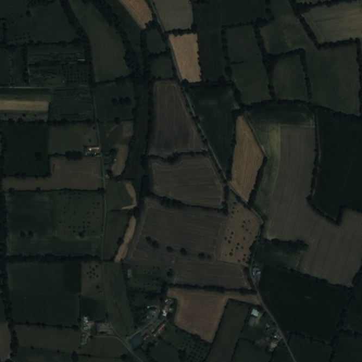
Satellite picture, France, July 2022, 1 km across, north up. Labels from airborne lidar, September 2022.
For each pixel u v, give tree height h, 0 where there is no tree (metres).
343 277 0
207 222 0
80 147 0
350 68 0
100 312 0
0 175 13
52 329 0
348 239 0
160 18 0
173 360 0
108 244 0
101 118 0
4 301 13
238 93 18
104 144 0
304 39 0
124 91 0
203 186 0
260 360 0
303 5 19
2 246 15
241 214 0
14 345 20
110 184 0
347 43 12
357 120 14
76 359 17
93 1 23
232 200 0
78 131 0
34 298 0
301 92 0
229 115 0
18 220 0
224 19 0
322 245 0
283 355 0
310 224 0
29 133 0
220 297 0
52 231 0
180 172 0
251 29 0
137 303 0
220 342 0
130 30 0
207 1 9
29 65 6
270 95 13
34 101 0
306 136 0
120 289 0
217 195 0
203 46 0
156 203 0
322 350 0
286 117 0
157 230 0
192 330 0
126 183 0
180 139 0
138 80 31
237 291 7
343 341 0
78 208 0
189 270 0
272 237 0
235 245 0
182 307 0
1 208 13
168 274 12
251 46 0
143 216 0
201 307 0
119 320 0
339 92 0
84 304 0
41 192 17
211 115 0
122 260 8
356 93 0
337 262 0
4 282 13
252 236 0
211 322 0
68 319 0
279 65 0
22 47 7
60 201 0
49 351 0
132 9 0
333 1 17
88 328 0
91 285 0
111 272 0
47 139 0
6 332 0
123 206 0
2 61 0
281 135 0
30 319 0
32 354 0
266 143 0
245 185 0
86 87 0
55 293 0
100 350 0
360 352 0
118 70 0
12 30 0
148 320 0
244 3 0
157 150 0
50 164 7
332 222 10
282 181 0
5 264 12
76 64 10
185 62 0
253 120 0
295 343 0
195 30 13
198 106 0
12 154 0
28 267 0
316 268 0
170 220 0
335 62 0
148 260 0
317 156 10
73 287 0
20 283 0
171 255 0
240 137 0
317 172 16
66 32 0
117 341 0
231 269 0
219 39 0
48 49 0
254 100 0
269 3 14
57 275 0
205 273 0
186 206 6
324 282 17
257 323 0
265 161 12
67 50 0
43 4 15
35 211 0
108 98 0
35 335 0
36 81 6
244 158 0
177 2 0
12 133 0
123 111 0
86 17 0
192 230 0
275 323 9
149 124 18
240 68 0
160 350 0
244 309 0
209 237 0
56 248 0
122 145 0
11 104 0
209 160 0
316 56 0
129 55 22
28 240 0
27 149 0
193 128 0
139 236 0
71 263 0
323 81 0
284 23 0
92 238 0
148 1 14
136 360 0
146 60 11
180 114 0
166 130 0
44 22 0
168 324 0
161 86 0
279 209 0
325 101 0
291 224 0
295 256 0
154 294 9
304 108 0
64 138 0
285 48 0
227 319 0
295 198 0
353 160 0
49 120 6
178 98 0
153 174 0
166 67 0
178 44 0
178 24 0
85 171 0
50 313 0
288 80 0
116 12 0
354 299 16
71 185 0
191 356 7
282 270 6
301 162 0
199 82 8
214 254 0
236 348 7
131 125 0
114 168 0
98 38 0
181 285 8
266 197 0
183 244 0
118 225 0
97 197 0
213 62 0
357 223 0
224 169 0
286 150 0
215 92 0
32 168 0
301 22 14
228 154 0
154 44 0
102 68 0
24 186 0
